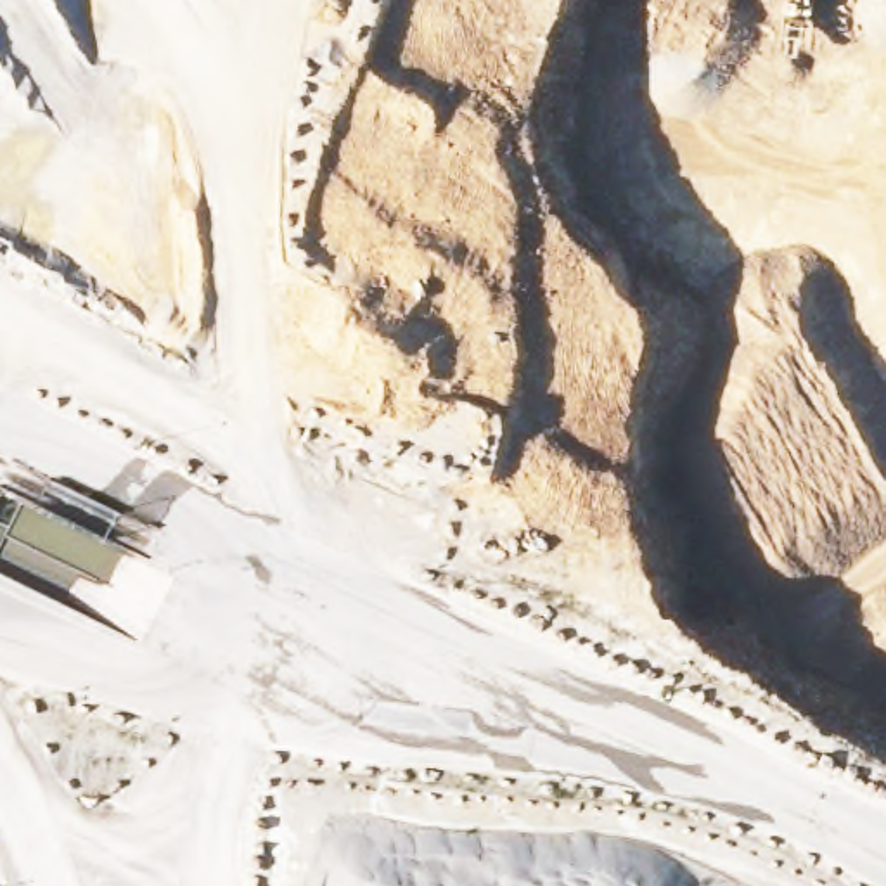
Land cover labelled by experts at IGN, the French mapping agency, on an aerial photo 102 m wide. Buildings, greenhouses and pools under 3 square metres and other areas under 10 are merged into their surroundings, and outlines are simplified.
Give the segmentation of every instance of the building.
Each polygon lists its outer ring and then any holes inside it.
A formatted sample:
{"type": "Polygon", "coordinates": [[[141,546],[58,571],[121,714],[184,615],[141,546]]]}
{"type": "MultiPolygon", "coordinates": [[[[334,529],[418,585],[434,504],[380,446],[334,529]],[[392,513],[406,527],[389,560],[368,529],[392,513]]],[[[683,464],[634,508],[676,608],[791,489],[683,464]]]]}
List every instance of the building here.
{"type": "Polygon", "coordinates": [[[170,578],[145,561],[145,540],[152,533],[149,526],[87,495],[69,491],[59,481],[62,474],[42,474],[42,481],[10,478],[7,485],[0,485],[0,575],[38,595],[48,595],[52,602],[80,613],[83,620],[104,626],[121,640],[132,640],[135,630],[149,626],[152,613],[163,602],[163,592],[170,588],[170,578]]]}

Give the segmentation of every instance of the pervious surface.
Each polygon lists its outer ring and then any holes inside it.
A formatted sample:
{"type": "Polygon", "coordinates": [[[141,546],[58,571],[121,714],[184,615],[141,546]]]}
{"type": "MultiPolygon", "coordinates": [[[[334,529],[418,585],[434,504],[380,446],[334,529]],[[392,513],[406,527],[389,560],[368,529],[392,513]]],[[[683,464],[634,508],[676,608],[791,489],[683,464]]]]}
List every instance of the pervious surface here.
{"type": "Polygon", "coordinates": [[[69,491],[87,495],[149,526],[152,533],[145,540],[145,561],[170,578],[170,588],[163,592],[163,602],[152,613],[149,626],[135,630],[132,640],[121,640],[104,626],[83,620],[80,613],[52,602],[48,595],[38,595],[0,575],[0,886],[886,886],[886,0],[0,0],[0,485],[7,485],[10,478],[42,481],[42,474],[62,474],[59,481],[69,491]]]}

